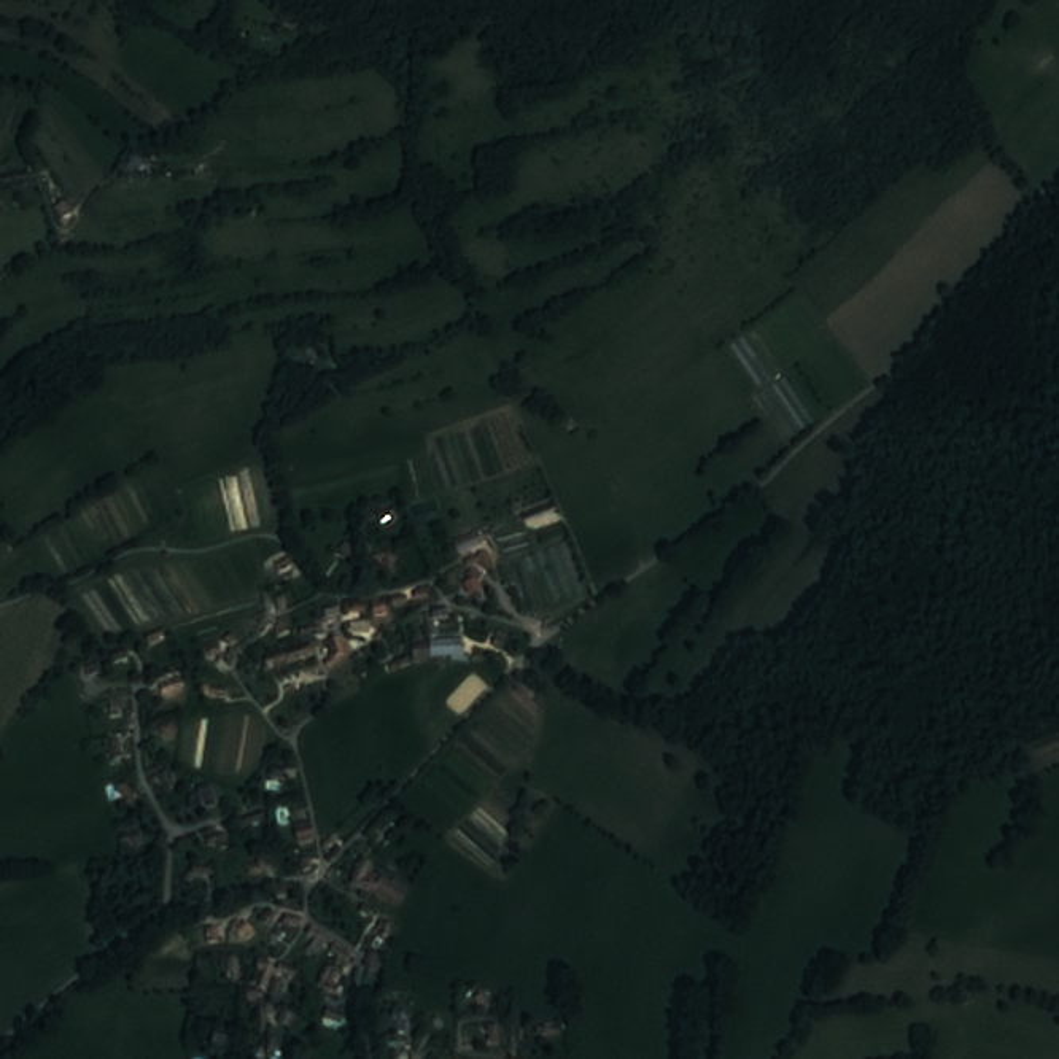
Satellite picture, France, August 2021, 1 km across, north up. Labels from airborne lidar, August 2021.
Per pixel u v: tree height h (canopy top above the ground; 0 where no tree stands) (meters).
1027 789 21
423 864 11
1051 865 0
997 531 23
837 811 0
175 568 0
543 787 0
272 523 0
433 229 17
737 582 19
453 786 0
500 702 0
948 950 0
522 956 0
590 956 0
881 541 22
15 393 20
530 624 0
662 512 0
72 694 0
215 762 0
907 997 18
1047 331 23
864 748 21
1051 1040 0
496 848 0
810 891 0
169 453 0
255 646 7
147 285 7
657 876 0
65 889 0
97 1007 0
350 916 0
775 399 0
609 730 0
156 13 16
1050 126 0
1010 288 20
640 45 18
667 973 0
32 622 0
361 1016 24
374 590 27
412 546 8
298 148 0
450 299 0
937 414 19
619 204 16
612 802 0
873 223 0
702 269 0
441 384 0
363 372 18
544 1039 6
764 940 0
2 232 0
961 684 18
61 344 14
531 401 16
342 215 15
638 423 0
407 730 0
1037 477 23
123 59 0
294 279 0
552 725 0
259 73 11
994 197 0
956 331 19
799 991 0
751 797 8
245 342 0
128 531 0
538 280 19
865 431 18
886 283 0
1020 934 0
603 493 0
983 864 0
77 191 0
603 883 0
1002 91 0
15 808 0
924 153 13
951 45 19
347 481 0
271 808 6
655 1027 0
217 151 0
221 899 16
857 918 0
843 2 21
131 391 0
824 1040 0
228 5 15
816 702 17
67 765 0
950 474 16
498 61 18
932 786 16
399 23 21
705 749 25
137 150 9
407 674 0
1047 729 22
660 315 0
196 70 0
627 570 0
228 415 0
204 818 16
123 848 8
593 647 0
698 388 0
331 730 0
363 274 0
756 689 16
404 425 0
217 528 0
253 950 6
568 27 20
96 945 15
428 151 0
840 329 0
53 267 0
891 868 0
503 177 20
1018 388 20
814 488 0
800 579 0
